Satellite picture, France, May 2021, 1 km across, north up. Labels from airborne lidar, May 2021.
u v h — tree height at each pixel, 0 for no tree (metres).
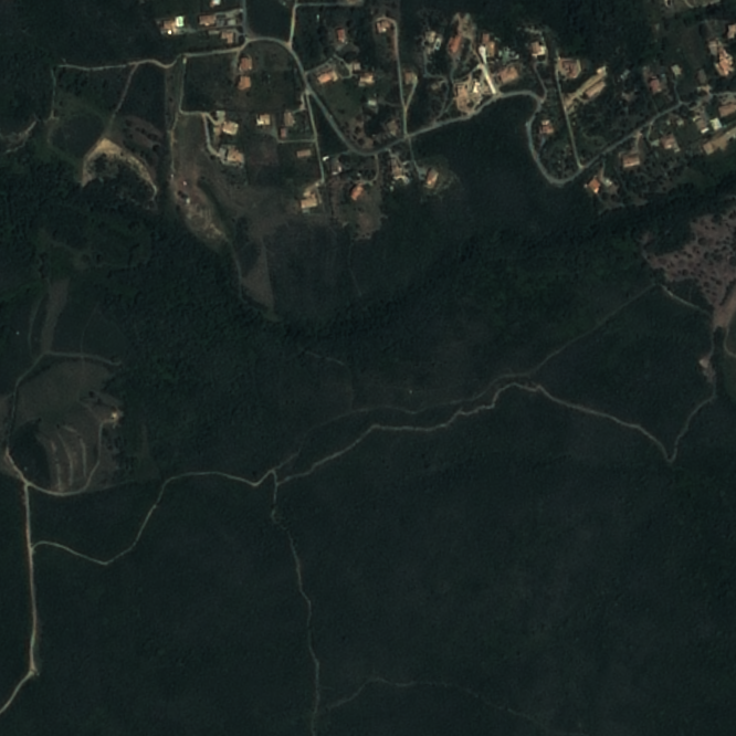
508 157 6
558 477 6
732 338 0
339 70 0
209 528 6
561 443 6
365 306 11
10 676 6
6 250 7
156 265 11
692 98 8
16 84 7
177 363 9
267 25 0
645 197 10
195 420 6
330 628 6
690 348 5
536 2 7
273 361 6
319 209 0
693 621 5
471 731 5
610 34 9
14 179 10
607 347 6
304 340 10
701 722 8
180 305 10
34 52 6
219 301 12
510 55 0
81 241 12
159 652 11
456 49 0
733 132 0
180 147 0
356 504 7
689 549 6
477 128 6
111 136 0
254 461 7
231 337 7
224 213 0
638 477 5
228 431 5
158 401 7
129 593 6
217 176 0
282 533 6
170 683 6
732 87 12
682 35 0
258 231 0
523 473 6
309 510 8
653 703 5
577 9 15
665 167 9
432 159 0
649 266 10
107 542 7
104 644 6
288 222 0
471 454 7
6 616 6
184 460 6
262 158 0
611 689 0
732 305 0
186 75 7
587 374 5
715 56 8
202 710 6
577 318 0
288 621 5
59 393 0
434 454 5
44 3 6
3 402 0
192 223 0
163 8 0
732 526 10
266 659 7
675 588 6
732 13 11
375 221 0
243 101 0
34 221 13
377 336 9
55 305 0
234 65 0
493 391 0
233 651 5
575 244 10
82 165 0
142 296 12
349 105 0
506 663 6
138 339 9
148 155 6
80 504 5
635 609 6
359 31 5
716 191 10
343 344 10
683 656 6
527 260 8
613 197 8
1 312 16
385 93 0
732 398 7
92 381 0
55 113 6
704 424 7
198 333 10
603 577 7
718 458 6
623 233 14
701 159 11
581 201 7
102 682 6
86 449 0
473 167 6
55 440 0
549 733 0
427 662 6
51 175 11
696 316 6
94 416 0
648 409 6
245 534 7
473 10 5
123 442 7
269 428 7
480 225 8
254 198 0
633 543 6
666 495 6
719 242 7
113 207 14
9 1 6
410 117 0
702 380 6
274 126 0
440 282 8
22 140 0
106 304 8
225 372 7
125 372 6
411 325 7
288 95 0
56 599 5
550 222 6
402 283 5
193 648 6
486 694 5
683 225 8
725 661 8
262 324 14
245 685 6
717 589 6
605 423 0
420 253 6
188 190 0
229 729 6
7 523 6
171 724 5
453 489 5
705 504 6
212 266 10
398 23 0
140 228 15
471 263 11
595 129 8
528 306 5
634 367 6
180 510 5
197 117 0
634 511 7
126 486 7
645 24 7
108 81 7
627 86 8
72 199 13
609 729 0
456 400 0
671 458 8
